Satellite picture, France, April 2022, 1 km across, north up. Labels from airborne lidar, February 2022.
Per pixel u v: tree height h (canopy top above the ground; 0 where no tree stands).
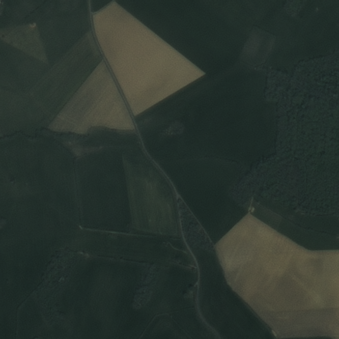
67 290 0
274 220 0
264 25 0
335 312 0
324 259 0
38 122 0
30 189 0
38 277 0
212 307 0
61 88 0
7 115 0
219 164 0
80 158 0
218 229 0
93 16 0
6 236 0
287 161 20
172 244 0
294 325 0
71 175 0
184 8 0
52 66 0
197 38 0
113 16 0
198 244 18
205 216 0
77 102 0
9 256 0
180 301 0
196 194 0
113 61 0
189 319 0
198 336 0
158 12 0
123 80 0
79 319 0
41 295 6
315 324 0
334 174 17
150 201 0
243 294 0
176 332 0
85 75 0
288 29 0
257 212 0
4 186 0
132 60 0
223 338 0
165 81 0
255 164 7
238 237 0
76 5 0
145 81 0
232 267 0
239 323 0
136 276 0
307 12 0
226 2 0
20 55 0
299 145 25
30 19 0
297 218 0
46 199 0
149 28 0
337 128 16
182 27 0
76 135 17
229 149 0
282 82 6
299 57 0
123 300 0
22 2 0
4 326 0
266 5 0
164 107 0
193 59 0
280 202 9
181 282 0
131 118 0
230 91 0
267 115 0
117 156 0
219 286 0
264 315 0
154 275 8
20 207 0
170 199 0
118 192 0
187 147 0
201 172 0
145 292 17
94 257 0
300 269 0
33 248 0
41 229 0
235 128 0
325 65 10
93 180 0
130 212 0
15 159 0
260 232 0
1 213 0
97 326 0
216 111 0
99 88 0
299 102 29
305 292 0
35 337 0
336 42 0
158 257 0
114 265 0
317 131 25
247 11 0
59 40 0
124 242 0
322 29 0
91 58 0
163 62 0
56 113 0
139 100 0
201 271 0
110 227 0
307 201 16
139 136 0
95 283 0
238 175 0
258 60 0
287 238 0
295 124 28
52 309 11
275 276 0
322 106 26
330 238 0
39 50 0
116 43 0
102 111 0
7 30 0
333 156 20
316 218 0
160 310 0
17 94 0
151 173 0
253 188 23
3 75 0
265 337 0
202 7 0
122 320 0
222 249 0
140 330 0
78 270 0
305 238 0
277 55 0
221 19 0
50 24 0
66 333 0
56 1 0
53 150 0
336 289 0
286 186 15
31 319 0
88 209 0
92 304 0
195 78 0
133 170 0
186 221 8
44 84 0
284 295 0
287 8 22
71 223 0
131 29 0
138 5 0
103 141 0
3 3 0
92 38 0
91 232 0
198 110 0
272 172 19
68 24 0
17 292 0
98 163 0
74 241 0
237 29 0
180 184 0
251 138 0
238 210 0
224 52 0
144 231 0
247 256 0
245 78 0
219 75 0
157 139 0
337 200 14
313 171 17
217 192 0
